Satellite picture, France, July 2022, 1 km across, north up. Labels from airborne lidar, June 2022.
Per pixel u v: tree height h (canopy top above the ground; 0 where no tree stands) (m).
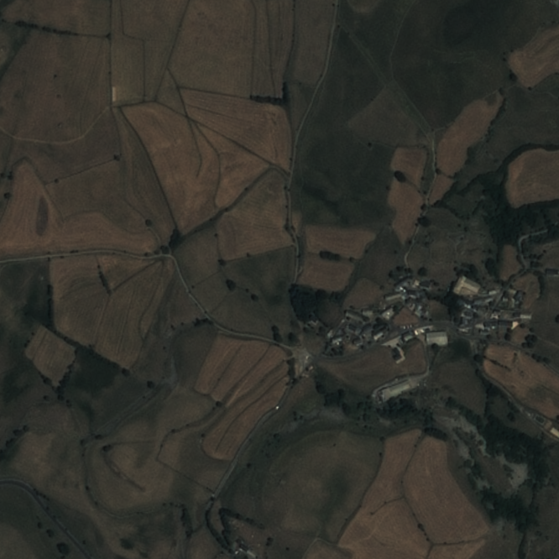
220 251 0
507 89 0
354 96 0
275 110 0
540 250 0
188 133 0
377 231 0
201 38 0
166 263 0
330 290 0
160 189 0
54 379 0
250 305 0
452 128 0
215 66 0
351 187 0
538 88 0
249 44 0
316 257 0
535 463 7
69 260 0
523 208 7
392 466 0
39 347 0
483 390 0
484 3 0
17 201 0
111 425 0
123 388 0
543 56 0
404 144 0
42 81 0
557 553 0
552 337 0
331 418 0
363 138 0
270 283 0
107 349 0
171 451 0
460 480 0
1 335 0
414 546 0
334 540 0
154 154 0
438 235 0
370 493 0
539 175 0
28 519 0
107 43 0
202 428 0
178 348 0
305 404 0
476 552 0
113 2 0
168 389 0
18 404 0
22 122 0
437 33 0
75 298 0
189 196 0
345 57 0
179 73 0
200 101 0
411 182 0
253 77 0
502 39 0
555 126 0
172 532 0
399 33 0
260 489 0
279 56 0
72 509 0
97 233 0
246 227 0
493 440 6
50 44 0
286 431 0
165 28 0
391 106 0
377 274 0
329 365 0
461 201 0
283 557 0
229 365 0
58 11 0
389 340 0
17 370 0
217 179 0
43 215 0
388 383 0
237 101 0
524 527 14
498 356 0
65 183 0
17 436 11
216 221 0
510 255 0
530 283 0
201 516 0
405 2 0
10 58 0
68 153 0
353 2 0
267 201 0
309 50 0
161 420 0
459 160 0
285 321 0
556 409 0
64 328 0
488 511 6
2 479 0
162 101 0
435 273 0
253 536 0
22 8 0
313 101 0
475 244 0
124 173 0
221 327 0
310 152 0
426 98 0
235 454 0
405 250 0
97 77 0
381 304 0
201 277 0
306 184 0
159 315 0
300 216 0
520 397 0
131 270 0
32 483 0
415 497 0
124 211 0
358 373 0
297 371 0
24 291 0
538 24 0
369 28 0
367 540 0
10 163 0
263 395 0
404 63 0
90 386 0
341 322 0
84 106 0
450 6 0
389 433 0
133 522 0
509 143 0
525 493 0
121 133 0
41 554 0
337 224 0
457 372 0
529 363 0
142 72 0
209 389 0
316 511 0
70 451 0
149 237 0
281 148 0
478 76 0
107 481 0
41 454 0
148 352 0
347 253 0
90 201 0
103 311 0
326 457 0
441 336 0
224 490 0
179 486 0
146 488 0
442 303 9
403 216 0
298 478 0
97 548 0
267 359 0
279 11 0
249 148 0
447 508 0
